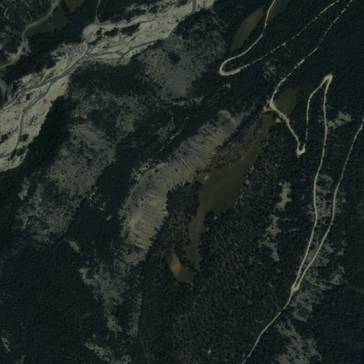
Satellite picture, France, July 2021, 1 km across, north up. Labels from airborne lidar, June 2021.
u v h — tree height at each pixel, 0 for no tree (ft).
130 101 0
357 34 31
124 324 21
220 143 0
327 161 28
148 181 0
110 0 27
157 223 0
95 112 21
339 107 34
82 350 26
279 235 29
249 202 46
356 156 33
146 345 22
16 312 20
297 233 32
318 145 27
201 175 0
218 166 25
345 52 26
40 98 0
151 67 0
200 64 0
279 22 24
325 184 35
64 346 38
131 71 21
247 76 21
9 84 22
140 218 0
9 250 32
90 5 23
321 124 34
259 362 37
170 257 0
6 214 20
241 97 23
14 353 27
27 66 34
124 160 28
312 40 20
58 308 22
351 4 24
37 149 24
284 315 25
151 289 20
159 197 0
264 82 20
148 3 20
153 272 42
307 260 0
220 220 39
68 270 29
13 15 29
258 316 32
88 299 30
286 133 29
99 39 20
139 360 25
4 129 0
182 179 0
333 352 42
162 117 21
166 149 25
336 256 26
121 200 22
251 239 30
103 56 0
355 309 35
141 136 25
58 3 0
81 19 35
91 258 22
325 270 39
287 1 0
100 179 21
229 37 24
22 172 25
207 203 0
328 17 32
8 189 42
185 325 39
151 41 0
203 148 0
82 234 21
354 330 44
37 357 19
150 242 0
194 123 26
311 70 31
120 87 24
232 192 0
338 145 24
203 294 31
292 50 32
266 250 37
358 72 32
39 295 21
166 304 47
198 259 0
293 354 0
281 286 47
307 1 23
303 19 22
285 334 0
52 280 22
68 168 0
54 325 37
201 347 37
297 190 33
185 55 0
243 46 21
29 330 24
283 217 28
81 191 0
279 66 24
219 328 42
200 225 0
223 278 38
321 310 22
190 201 35
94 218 25
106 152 0
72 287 21
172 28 0
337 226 34
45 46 31
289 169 36
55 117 44
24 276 23
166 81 0
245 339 24
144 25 0
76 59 0
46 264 19
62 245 27
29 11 25
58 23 0
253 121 20
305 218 37
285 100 0
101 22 25
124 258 0
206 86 21
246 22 0
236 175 0
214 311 39
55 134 47
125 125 0
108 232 29
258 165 47
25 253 22
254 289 41
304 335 35
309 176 32
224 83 22
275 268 35
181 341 25
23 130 0
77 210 20
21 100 0
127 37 0
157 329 37
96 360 25
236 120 0
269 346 41
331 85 29
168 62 0
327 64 35
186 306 34
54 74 0
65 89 0
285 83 20
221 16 31
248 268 33
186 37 22
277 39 23
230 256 26
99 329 26
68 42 19
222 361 37
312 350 0
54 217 0
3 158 0
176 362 43
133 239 0
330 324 31
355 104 24
